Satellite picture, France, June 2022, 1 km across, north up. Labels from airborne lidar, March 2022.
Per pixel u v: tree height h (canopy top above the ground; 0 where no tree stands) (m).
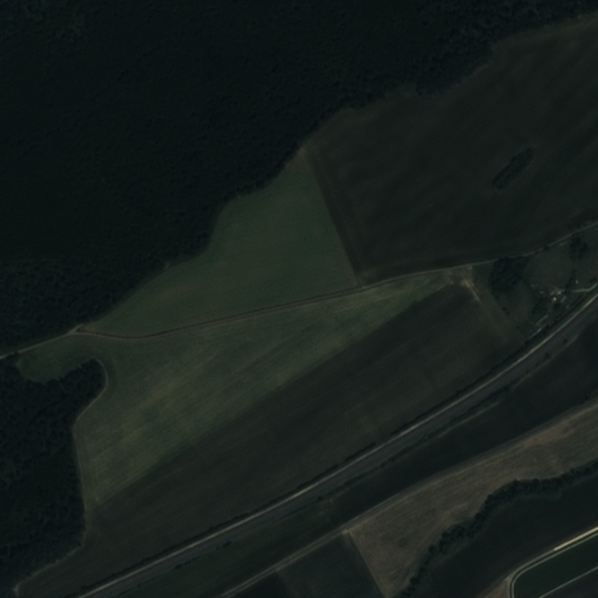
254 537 0
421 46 8
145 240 9
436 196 0
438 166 0
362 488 0
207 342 0
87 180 7
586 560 0
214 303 0
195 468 0
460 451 0
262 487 0
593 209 0
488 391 0
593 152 0
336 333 0
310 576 0
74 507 21
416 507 0
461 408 0
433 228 0
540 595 0
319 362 0
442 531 0
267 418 0
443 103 0
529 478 0
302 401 0
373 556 0
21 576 16
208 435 0
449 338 0
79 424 0
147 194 13
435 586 0
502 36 17
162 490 0
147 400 0
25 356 0
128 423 0
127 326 0
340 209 0
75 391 21
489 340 0
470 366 0
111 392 0
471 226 0
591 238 0
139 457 0
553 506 0
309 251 0
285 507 0
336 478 0
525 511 0
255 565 0
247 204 0
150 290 0
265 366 0
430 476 0
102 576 0
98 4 7
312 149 0
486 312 0
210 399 0
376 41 7
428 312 0
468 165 0
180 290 0
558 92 0
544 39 0
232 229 0
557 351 0
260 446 0
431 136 0
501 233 0
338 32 10
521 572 0
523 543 0
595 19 0
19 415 21
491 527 0
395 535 0
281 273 0
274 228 0
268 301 0
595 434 0
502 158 0
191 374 0
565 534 0
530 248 0
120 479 0
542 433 0
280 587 0
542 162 0
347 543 0
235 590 0
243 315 0
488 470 0
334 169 0
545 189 0
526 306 0
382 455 0
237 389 0
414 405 0
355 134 0
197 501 0
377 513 0
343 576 0
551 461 0
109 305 12
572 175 0
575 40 0
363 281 0
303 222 0
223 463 0
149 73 10
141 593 0
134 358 0
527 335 0
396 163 0
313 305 0
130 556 0
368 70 17
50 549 18
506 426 0
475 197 0
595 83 0
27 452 7
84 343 0
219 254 0
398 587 0
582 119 0
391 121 0
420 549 0
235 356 0
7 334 17
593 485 0
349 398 0
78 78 8
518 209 0
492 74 0
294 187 0
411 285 0
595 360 0
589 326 0
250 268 0
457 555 0
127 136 6
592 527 0
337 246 0
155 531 0
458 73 21
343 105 12
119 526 0
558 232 0
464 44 20
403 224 0
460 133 0
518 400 0
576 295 0
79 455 0
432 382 0
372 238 0
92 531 0
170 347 0
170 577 0
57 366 0
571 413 0
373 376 0
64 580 0
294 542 0
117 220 6
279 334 0
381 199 0
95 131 12
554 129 0
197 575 0
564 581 0
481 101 0
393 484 0
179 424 0
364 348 0
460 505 0
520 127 0
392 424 0
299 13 14
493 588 0
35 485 7
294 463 0
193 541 7
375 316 0
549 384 0
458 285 0
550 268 0
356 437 0
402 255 0
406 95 0
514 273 10
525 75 0
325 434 0
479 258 0
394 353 0
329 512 0
